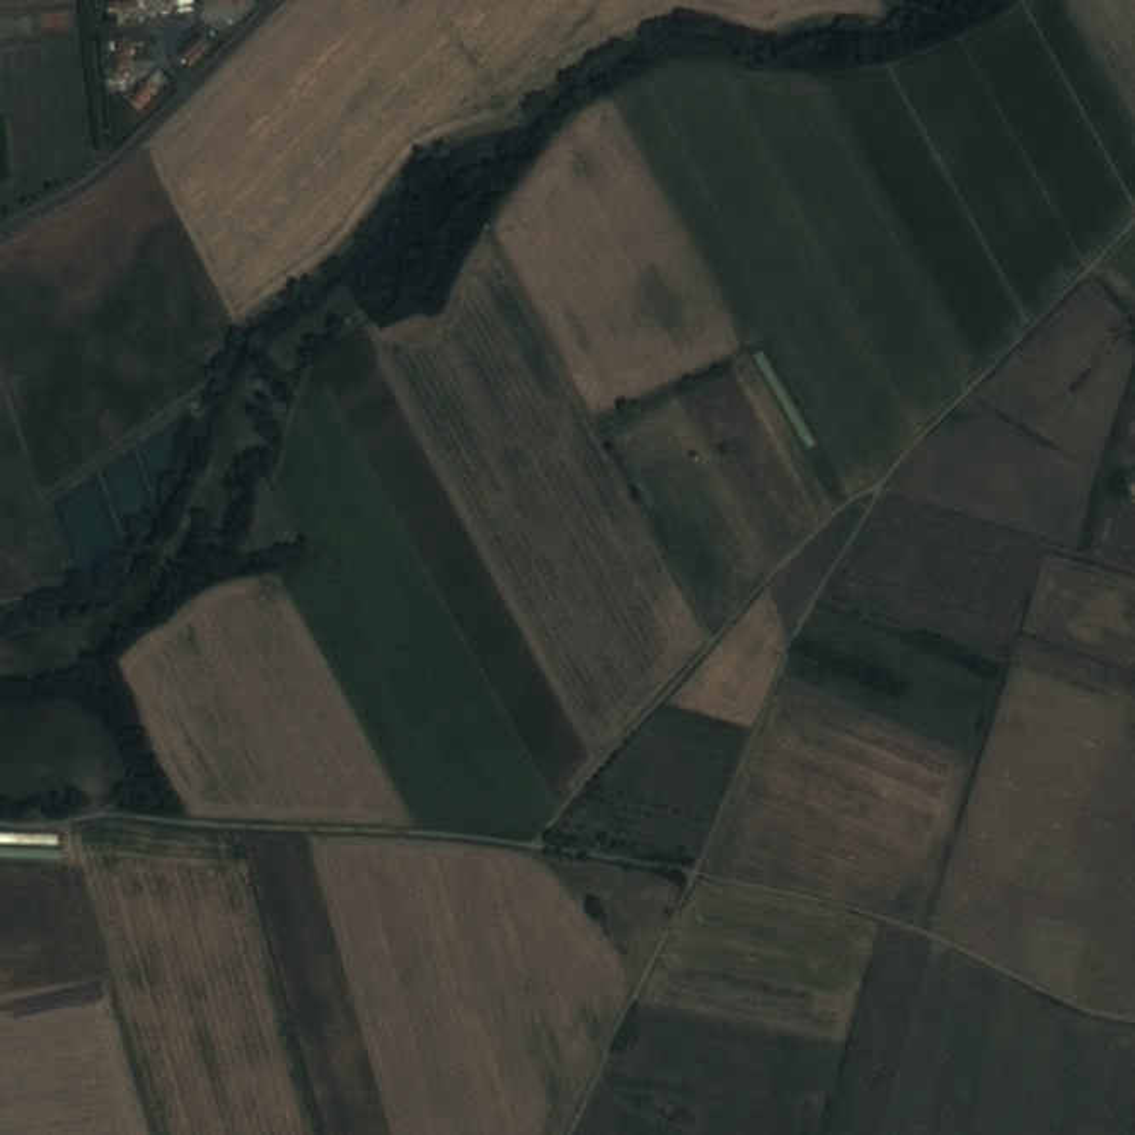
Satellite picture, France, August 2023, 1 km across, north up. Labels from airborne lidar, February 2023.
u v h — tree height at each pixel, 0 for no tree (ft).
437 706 0
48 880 0
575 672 0
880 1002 0
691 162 0
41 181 0
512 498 0
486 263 0
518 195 0
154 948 0
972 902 0
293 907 0
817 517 0
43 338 0
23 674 0
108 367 0
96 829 0
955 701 0
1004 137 0
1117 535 0
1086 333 0
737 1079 0
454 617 0
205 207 0
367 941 0
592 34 0
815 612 0
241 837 0
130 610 0
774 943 0
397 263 32
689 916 0
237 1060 0
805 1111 0
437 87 0
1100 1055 0
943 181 0
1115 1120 0
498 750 0
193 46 0
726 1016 0
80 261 0
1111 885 0
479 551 0
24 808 28
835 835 0
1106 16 0
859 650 0
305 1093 0
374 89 0
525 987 0
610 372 0
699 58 0
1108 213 0
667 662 0
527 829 0
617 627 0
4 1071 0
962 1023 0
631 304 0
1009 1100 0
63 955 0
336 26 0
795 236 0
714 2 0
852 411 0
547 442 0
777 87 0
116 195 0
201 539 54
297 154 0
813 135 0
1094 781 0
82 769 0
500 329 0
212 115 0
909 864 0
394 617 0
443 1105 0
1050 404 0
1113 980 0
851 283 0
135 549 56
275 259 0
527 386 0
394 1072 0
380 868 0
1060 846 0
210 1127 0
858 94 0
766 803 0
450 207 30
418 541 0
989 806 0
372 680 0
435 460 0
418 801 0
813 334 0
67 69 0
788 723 0
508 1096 0
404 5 0
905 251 0
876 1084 0
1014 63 0
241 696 0
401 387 0
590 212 0
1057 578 0
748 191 0
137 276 0
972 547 0
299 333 0
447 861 0
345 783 0
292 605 0
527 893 0
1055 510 0
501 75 0
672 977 0
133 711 57
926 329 0
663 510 0
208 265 0
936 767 0
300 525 0
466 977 0
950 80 0
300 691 0
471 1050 0
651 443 0
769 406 0
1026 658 0
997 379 0
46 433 0
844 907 0
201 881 0
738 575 0
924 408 0
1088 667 0
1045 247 0
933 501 0
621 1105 0
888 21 23
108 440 0
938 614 0
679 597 0
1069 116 0
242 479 47
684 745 0
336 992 0
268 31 0
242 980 0
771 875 0
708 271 0
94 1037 0
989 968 0
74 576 0
